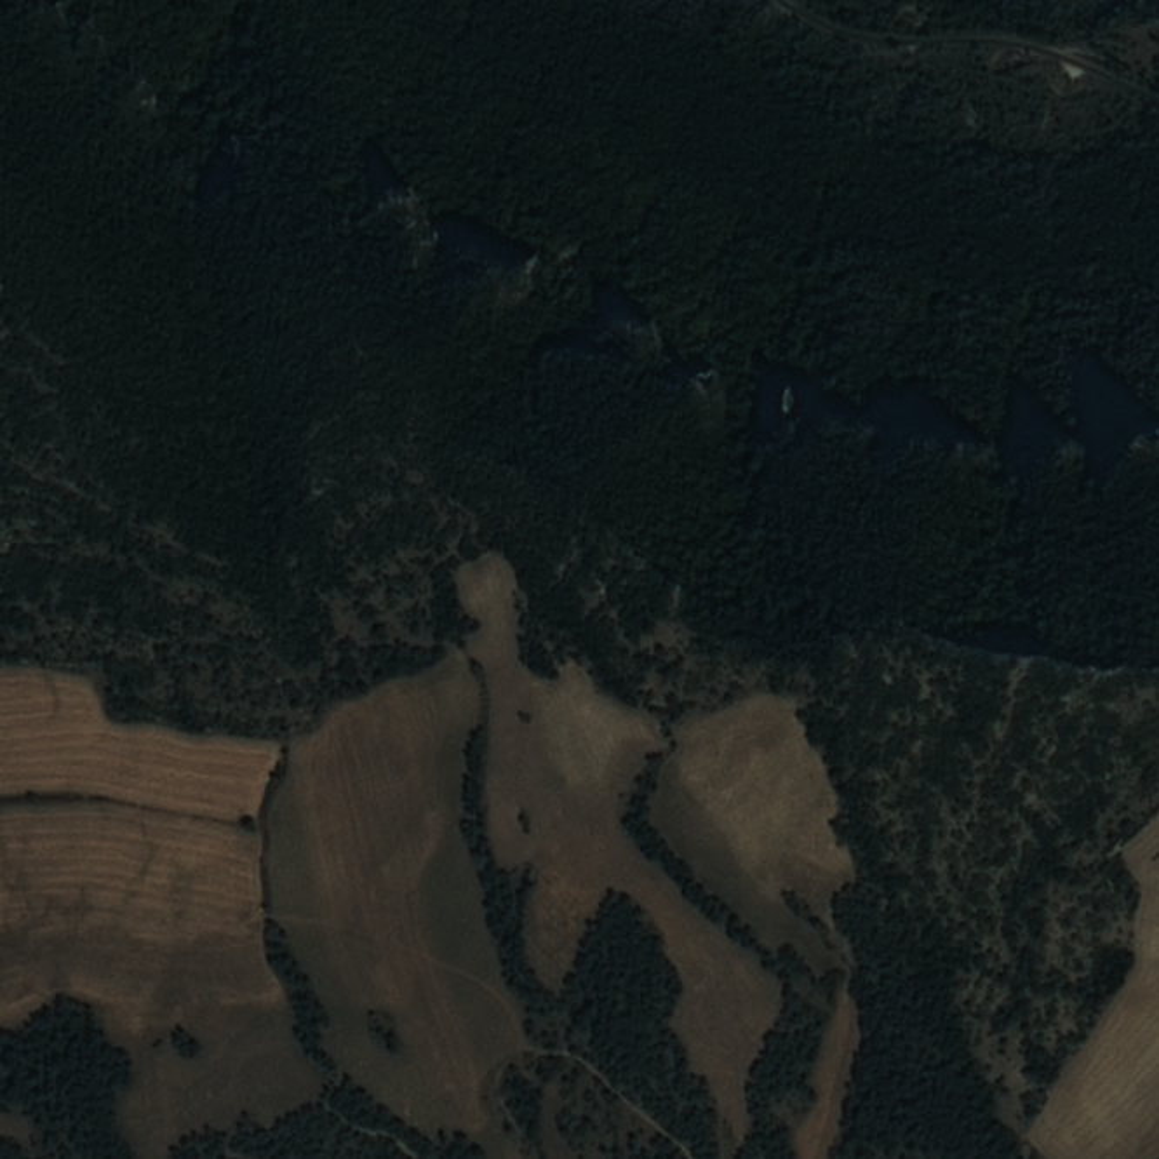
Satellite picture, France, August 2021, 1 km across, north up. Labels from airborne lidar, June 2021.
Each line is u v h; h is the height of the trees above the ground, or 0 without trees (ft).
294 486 31
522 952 29
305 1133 26
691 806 0
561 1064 25
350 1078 28
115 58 23
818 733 28
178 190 68
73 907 0
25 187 42
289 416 19
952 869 19
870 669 20
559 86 39
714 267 50
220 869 0
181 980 0
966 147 35
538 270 40
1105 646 25
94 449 19
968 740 21
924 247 37
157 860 0
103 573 21
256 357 29
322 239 28
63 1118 22
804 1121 0
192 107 76
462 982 0
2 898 0
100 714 0
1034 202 30
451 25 27
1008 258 26
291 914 0
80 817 0
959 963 29
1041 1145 0
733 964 0
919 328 35
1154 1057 0
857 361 38
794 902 21
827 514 25
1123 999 0
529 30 31
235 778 0
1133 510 29
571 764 0
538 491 21
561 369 32
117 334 34
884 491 46
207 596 27
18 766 0
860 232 33
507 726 0
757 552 39
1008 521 22
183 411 34
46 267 29
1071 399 48
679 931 0
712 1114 31
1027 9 24
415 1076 0
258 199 29
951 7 29
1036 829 22
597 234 40
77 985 0
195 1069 0
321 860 0
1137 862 0
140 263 52
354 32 21
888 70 21
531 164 47
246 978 0
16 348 22
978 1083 26
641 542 34
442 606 23
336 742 0
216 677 22
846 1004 0
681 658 24
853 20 39
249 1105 0
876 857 24
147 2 34
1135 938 0
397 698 0
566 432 33
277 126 27
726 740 0
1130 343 49
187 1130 0
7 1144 24
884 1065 31
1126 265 28
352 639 20
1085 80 19
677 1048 23
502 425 33
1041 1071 24
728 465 26
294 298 21
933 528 51
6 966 0
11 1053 39
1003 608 32
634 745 0
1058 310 46
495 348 58
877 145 28
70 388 19
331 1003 0
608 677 27
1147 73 24
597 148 40
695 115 41
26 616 27
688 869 35
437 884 0
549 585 19
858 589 29
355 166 36
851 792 27
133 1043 0
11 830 0
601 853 0
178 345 34
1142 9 27
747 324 47
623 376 34
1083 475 45
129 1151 30
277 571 36
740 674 22
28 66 45
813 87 27
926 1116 34
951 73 23
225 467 50
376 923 0
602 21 46
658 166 37
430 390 33
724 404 20
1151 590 29
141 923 0
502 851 0
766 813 0
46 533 23
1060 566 28
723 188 26
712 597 46
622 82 44
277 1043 0
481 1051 0
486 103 47
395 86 29
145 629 21
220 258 44
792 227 37
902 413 47
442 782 0
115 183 50
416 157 37
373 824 0
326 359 19
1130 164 27
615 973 28
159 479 25
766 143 44
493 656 0
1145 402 23
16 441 24
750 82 46
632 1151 25
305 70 24
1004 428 51
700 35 51
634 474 32
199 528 25
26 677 0
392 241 35
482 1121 0
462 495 19
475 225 55
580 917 0
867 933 24
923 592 39
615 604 21
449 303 32
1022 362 35
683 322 18
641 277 43
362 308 32
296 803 0
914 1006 30
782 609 30
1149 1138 0
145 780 0
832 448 30
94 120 37
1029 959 28
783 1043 26
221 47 28
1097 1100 0
